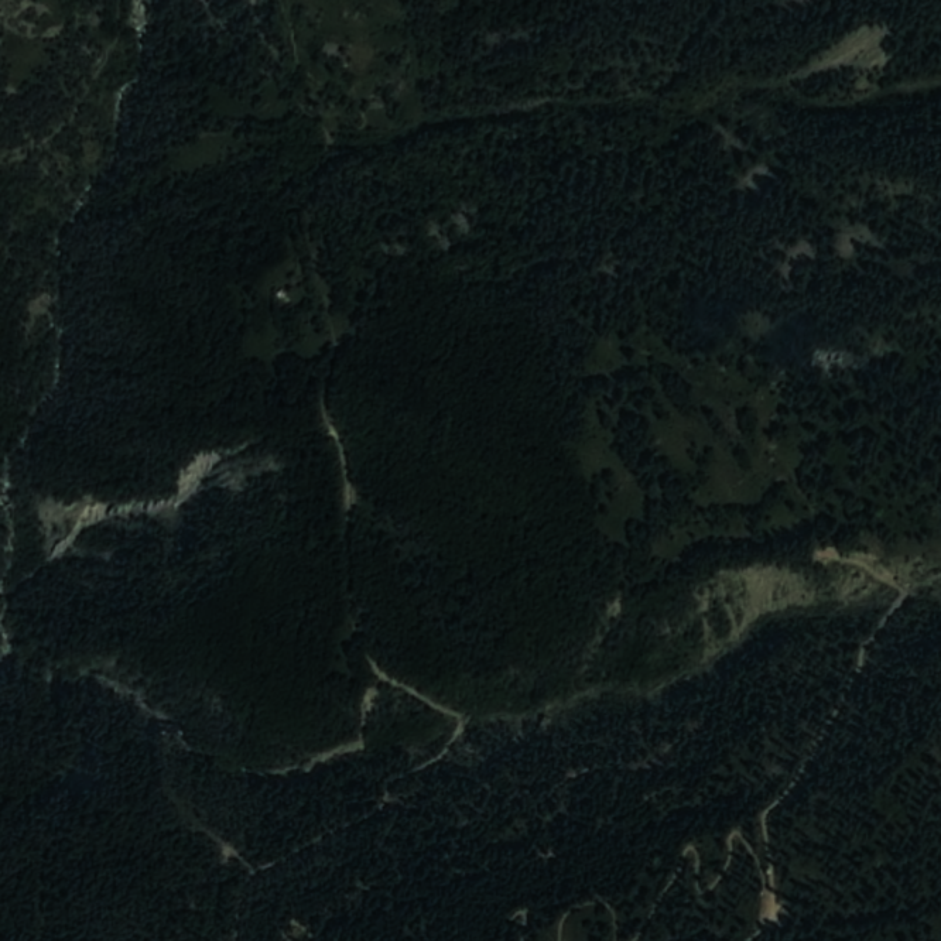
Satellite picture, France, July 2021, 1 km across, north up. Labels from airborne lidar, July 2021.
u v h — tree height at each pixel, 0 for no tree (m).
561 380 21
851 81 9
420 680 9
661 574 21
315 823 19
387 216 8
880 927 18
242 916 18
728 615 6
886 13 20
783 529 0
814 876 0
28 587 16
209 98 9
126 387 12
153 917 11
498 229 19
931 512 16
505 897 17
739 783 7
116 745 15
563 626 10
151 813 16
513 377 18
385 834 12
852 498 20
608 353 0
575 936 0
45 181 6
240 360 12
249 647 17
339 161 16
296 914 15
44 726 15
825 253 24
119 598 10
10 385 13
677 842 14
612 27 19
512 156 7
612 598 13
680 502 26
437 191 22
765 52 22
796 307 23
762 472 0
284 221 13
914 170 17
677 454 0
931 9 19
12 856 15
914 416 31
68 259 15
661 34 24
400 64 11
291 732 15
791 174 9
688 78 14
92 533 6
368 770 13
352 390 13
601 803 12
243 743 17
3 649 10
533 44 7
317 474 20
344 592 14
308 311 13
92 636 15
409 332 18
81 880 16
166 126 14
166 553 15
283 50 12
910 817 0
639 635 12
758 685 12
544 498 13
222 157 7
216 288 14
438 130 13
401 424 16
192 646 13
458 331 18
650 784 13
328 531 23
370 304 18
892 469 0
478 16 14
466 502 22
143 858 17
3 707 17
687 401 10
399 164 7
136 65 7
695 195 16
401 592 16
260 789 24
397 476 14
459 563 12
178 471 12
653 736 11
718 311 22
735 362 6
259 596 17
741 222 24
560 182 7
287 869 10
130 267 20
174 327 19
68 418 20
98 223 13
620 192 8
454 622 20
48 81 13
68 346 20
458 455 14
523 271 12
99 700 14
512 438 18
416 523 15
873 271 23
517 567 23
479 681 18
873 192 16
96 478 17
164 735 10
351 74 8
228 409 25
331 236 13
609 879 20
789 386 8
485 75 16
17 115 6
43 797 6
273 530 11
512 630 20
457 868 13
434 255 9
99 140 7
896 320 18
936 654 30
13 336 13
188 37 7
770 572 0
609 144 12
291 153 13
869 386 24
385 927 17
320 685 13
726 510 12
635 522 10
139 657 11
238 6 17
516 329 16
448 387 18
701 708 17
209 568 6
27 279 7
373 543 11
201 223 19
